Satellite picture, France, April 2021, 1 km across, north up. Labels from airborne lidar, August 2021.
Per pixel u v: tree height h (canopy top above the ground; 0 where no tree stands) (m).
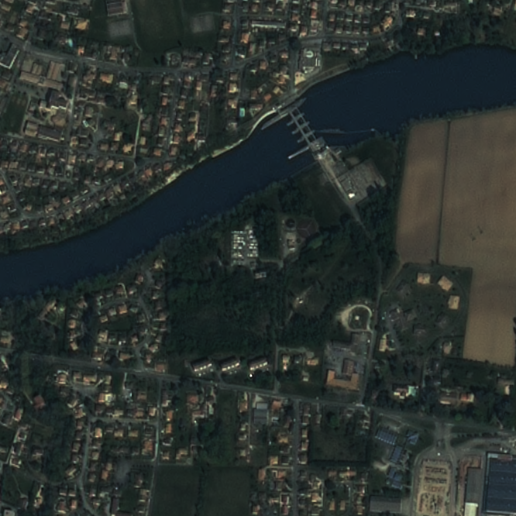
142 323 7
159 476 0
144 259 18
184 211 0
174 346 17
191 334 15
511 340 0
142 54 0
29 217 0
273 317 12
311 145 0
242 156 0
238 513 0
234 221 19
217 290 7
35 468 15
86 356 20
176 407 17
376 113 0
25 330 23
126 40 0
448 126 0
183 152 7
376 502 0
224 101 7
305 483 7
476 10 20
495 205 0
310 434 9
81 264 0
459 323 0
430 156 0
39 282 0
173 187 0
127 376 0
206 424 19
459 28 22
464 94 0
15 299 26
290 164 0
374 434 10
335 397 11
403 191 0
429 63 0
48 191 6
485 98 0
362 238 27
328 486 13
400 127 10
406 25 7
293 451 0
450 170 0
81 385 0
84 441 6
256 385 13
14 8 0
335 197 0
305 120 0
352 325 0
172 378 0
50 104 0
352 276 0
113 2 0
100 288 22
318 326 20
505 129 0
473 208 0
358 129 0
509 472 0
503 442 0
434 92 0
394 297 0
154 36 0
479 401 21
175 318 11
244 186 0
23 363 26
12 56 0
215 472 0
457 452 0
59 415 22
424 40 15
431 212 0
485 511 0
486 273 0
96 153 0
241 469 0
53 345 12
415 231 0
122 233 0
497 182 0
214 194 0
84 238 0
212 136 9
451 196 0
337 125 0
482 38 9
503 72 0
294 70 0
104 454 6
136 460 0
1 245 17
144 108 13
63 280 0
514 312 0
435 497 0
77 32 10
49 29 7
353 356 0
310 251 8
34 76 0
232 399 0
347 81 0
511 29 0
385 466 0
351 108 0
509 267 0
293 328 13
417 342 0
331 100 0
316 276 0
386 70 0
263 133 0
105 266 0
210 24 0
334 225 0
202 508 6
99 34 0
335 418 14
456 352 8
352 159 0
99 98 0
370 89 0
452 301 0
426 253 0
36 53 0
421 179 0
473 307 0
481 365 7
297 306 0
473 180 0
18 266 0
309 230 0
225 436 25
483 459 0
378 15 8
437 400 26
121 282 0
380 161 0
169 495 0
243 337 12
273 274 16
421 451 0
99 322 20
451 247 0
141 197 27
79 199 0
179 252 18
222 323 10
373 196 25
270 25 0
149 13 0
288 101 0
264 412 0
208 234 18
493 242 0
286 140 0
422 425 0
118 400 0
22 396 9
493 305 0
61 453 24
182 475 0
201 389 12
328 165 0
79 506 6
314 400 0
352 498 0
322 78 0
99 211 8
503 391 0
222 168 0
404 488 7
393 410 21
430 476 0
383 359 0
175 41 0
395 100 0
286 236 0
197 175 0
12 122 0
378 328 10
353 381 0
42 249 0
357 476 0
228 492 0
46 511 22
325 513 0
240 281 10
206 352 7
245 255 0
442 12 8
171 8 0
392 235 8
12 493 0
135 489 7
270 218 24
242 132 11
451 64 0
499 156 0
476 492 0
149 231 0
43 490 10
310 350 0
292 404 6
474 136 0
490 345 0
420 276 0
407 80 0
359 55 0
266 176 0
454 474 0
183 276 19
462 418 20
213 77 14
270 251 26
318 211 0
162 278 7
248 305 18
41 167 0
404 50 21
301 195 20
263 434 0
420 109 0
